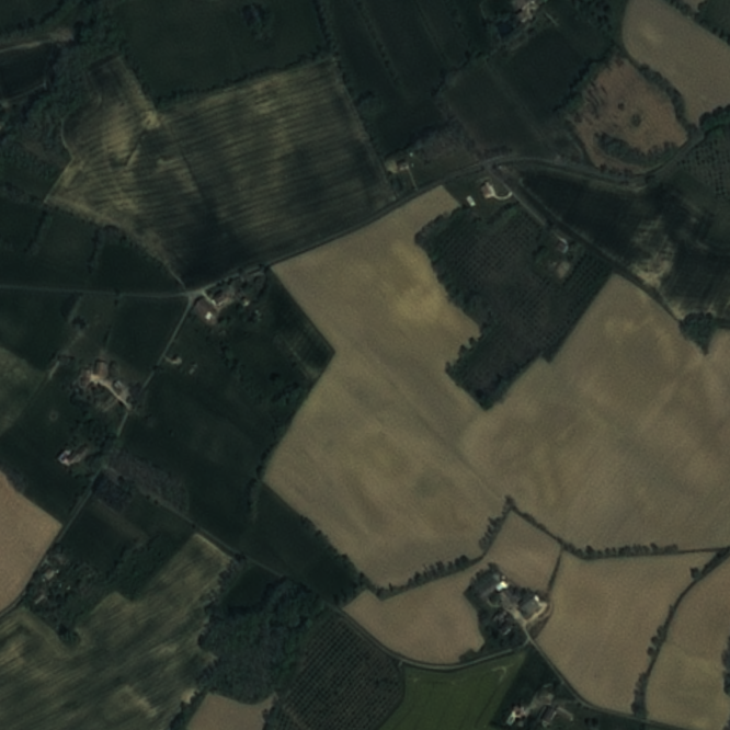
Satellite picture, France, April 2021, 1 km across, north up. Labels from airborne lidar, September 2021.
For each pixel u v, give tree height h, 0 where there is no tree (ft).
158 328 0
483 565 0
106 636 0
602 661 0
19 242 0
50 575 0
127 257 0
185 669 0
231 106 0
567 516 0
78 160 0
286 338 0
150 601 0
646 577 0
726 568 0
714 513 0
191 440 0
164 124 0
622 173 31
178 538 0
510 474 0
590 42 0
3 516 0
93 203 0
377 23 0
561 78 0
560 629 0
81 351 0
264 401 56
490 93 0
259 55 0
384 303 0
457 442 0
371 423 0
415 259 0
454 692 0
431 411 0
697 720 0
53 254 0
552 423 0
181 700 0
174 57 0
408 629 0
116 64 0
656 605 0
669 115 0
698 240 0
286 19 0
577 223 0
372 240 0
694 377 0
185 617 0
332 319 0
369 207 0
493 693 0
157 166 0
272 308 0
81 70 57
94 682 0
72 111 58
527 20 20
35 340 0
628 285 0
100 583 29
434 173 0
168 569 0
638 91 0
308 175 0
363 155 0
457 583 0
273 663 81
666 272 0
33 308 0
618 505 0
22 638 0
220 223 0
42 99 44
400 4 0
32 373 0
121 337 0
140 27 0
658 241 0
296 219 0
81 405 46
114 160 0
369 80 0
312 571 0
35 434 0
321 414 0
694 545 0
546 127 0
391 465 0
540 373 0
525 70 0
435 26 0
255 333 0
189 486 0
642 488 0
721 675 0
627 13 0
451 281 49
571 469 0
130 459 56
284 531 0
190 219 0
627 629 0
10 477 42
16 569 0
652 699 0
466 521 0
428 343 0
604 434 0
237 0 0
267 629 69
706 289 0
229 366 47
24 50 0
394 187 32
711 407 0
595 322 0
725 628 0
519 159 0
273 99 0
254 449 0
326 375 0
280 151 0
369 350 0
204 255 0
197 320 23
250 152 0
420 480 0
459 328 0
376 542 0
